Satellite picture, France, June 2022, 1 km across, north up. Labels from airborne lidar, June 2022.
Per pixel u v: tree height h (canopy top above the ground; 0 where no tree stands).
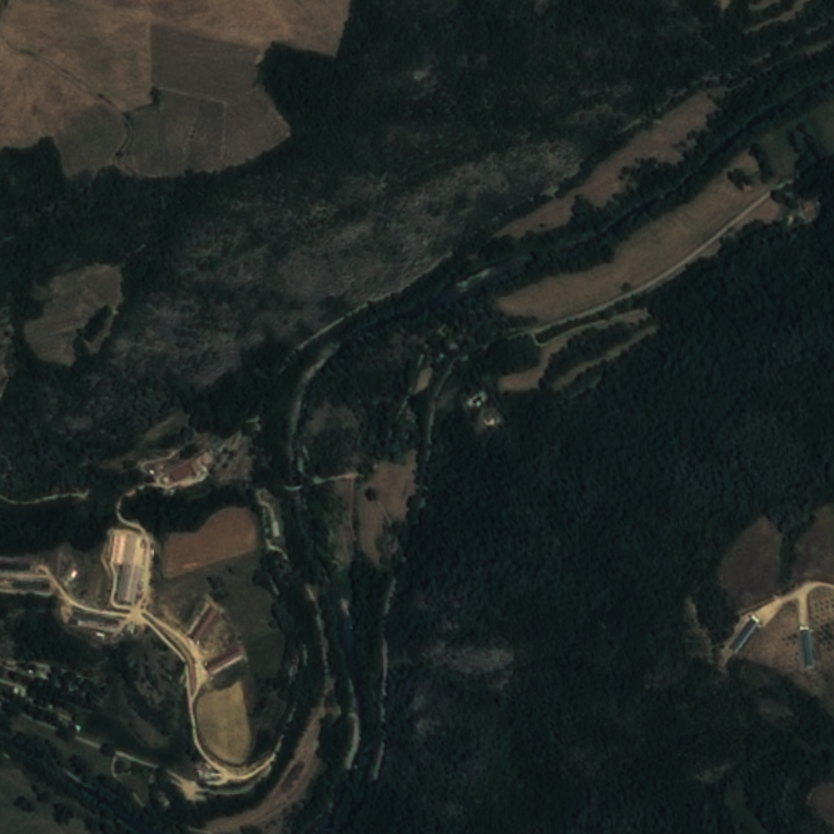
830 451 17
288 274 0
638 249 0
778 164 0
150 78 0
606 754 14
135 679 7
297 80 17
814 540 0
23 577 0
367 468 7
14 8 0
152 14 0
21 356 12
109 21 0
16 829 0
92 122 0
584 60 10
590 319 9
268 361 17
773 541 0
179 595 0
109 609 0
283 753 16
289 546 14
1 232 14
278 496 14
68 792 16
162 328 0
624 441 11
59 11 0
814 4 8
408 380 17
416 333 16
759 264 20
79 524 16
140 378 11
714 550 13
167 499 10
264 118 0
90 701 14
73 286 0
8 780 0
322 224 6
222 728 0
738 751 6
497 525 17
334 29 0
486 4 13
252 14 0
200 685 0
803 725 12
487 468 14
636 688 10
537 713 9
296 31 0
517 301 0
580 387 15
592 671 11
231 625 0
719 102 8
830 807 0
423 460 13
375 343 17
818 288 14
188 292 7
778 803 14
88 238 6
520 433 12
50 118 0
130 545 0
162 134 0
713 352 9
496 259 14
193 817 7
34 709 8
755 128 18
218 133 0
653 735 12
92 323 7
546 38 8
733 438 13
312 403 8
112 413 14
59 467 12
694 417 9
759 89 19
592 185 0
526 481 25
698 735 8
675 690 13
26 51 0
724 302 24
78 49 0
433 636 7
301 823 15
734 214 0
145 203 6
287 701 10
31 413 9
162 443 5
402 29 6
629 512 16
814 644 0
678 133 0
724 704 7
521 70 7
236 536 0
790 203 14
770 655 0
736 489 15
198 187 12
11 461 11
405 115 12
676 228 0
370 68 9
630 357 21
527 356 21
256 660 0
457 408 7
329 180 6
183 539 0
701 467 18
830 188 16
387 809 15
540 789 11
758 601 0
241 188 7
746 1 13
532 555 14
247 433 14
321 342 9
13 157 7
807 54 7
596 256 13
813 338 13
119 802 17
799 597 0
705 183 11
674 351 12
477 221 7
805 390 8
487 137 10
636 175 8
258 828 8
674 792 19
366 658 15
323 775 10
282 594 10
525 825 13
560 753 15
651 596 12
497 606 13
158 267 13
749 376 11
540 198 13
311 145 7
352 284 7
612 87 6
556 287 0
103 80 0
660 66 12
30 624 12
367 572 15
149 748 0
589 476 16
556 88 8
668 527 12
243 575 0
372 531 0
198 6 0
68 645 9
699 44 10
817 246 23
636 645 8
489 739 7
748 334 13
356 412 11
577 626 18
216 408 18
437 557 13
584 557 11
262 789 13
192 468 0
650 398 18
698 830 13
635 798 21
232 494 15
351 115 8
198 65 0
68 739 23
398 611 7
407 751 6
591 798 15
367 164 8
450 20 15
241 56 0
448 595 11
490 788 16
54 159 14
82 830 0
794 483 12
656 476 8
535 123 10
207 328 6
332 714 9
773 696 6
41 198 7
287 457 11
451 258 9
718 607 13
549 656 10
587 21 10
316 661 11
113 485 7
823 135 0
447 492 16
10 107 0
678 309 16
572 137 7
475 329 15
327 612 17
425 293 22
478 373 11
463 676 7
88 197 7
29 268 9
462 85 15
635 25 9
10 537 20
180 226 10
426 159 7
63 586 0
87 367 9
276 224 6
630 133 11
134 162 0
